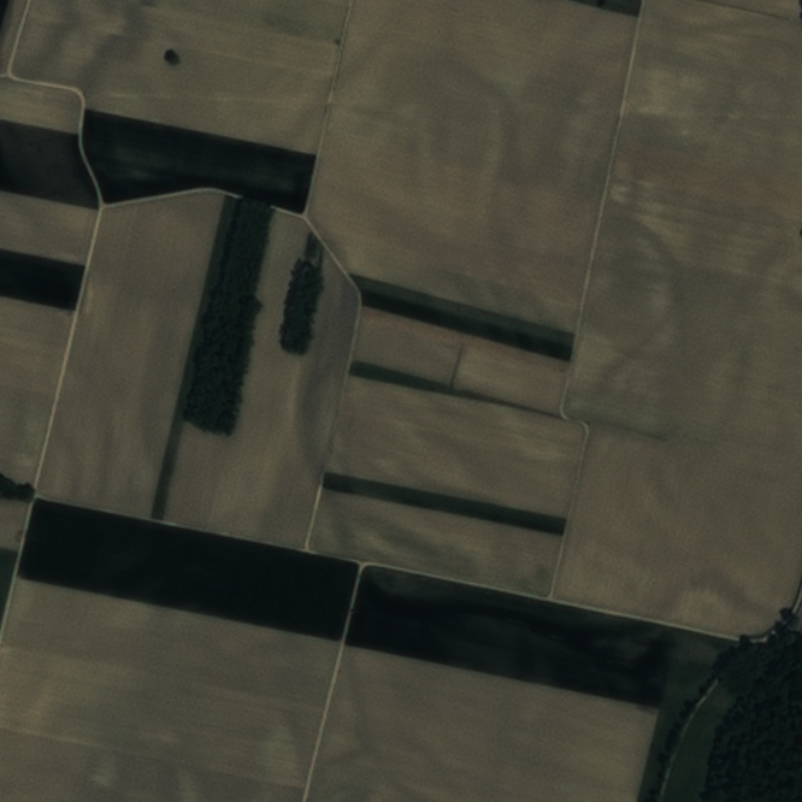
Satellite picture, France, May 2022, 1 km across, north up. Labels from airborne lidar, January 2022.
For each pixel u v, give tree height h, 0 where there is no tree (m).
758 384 0
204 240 0
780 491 0
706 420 0
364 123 0
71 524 0
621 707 0
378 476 0
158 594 0
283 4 0
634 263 0
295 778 0
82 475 0
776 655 16
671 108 0
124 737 0
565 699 0
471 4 0
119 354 0
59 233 0
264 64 0
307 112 0
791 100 0
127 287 0
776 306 0
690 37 0
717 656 0
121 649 0
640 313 0
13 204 0
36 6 0
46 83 0
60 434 0
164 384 0
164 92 0
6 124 0
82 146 0
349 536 0
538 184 0
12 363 0
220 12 0
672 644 0
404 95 0
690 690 0
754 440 0
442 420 0
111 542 0
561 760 0
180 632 0
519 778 0
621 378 0
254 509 0
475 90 0
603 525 0
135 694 0
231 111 0
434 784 0
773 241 0
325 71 0
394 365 0
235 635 0
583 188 0
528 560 0
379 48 0
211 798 0
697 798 0
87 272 0
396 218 0
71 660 0
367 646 0
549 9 0
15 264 0
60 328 0
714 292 0
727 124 0
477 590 0
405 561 0
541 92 0
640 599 0
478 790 0
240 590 0
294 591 0
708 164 0
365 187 0
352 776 0
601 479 0
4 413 0
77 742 0
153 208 0
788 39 0
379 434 0
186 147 0
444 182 0
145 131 0
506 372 0
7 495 13
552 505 0
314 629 0
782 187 0
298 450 0
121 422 0
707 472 0
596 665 0
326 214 0
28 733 0
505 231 0
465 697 0
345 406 0
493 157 0
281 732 0
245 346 17
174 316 0
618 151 0
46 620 0
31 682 0
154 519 0
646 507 0
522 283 0
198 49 0
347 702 0
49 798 0
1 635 0
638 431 0
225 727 0
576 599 0
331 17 0
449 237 0
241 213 14
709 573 0
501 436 0
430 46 0
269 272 0
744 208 0
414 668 0
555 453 0
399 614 0
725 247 0
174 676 0
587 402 0
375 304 0
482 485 0
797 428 0
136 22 0
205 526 0
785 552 0
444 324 0
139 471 0
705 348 0
